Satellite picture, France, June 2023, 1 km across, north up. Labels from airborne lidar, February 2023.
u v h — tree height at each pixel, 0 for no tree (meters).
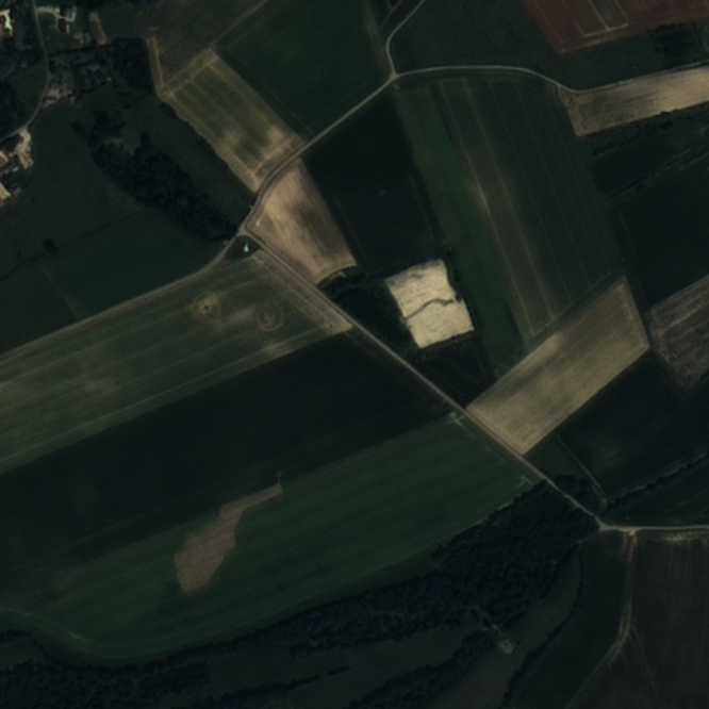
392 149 0
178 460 0
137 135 0
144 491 0
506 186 0
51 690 23
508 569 21
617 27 0
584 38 0
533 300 0
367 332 0
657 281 0
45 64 0
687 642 0
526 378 0
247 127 0
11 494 0
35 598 0
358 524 0
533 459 0
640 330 0
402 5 0
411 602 23
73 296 0
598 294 0
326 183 0
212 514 0
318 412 0
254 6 0
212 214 12
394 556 0
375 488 0
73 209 0
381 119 0
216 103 0
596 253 0
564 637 0
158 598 0
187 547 0
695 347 0
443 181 0
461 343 0
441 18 0
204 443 0
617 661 0
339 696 0
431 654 0
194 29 0
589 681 0
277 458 0
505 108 0
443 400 0
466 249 0
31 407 0
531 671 6
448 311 0
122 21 0
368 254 0
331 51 0
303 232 0
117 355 0
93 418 0
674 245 0
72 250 0
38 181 0
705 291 0
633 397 0
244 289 0
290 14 0
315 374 0
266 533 0
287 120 0
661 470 0
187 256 0
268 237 0
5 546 0
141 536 0
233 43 0
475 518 0
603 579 0
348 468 0
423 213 0
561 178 0
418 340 0
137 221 0
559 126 0
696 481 0
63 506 0
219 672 0
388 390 0
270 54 0
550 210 0
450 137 0
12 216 0
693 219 0
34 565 0
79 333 0
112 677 18
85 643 0
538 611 0
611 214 0
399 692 14
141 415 0
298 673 0
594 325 0
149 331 0
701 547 0
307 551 0
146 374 0
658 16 0
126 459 0
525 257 0
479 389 0
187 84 0
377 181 0
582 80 0
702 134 0
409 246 0
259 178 0
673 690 0
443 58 0
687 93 0
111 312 0
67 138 0
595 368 0
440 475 0
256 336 0
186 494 0
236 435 0
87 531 0
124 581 0
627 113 0
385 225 0
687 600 0
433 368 0
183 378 0
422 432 0
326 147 0
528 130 0
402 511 0
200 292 0
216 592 0
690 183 0
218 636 0
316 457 0
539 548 22
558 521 15
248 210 0
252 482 0
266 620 0
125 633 0
